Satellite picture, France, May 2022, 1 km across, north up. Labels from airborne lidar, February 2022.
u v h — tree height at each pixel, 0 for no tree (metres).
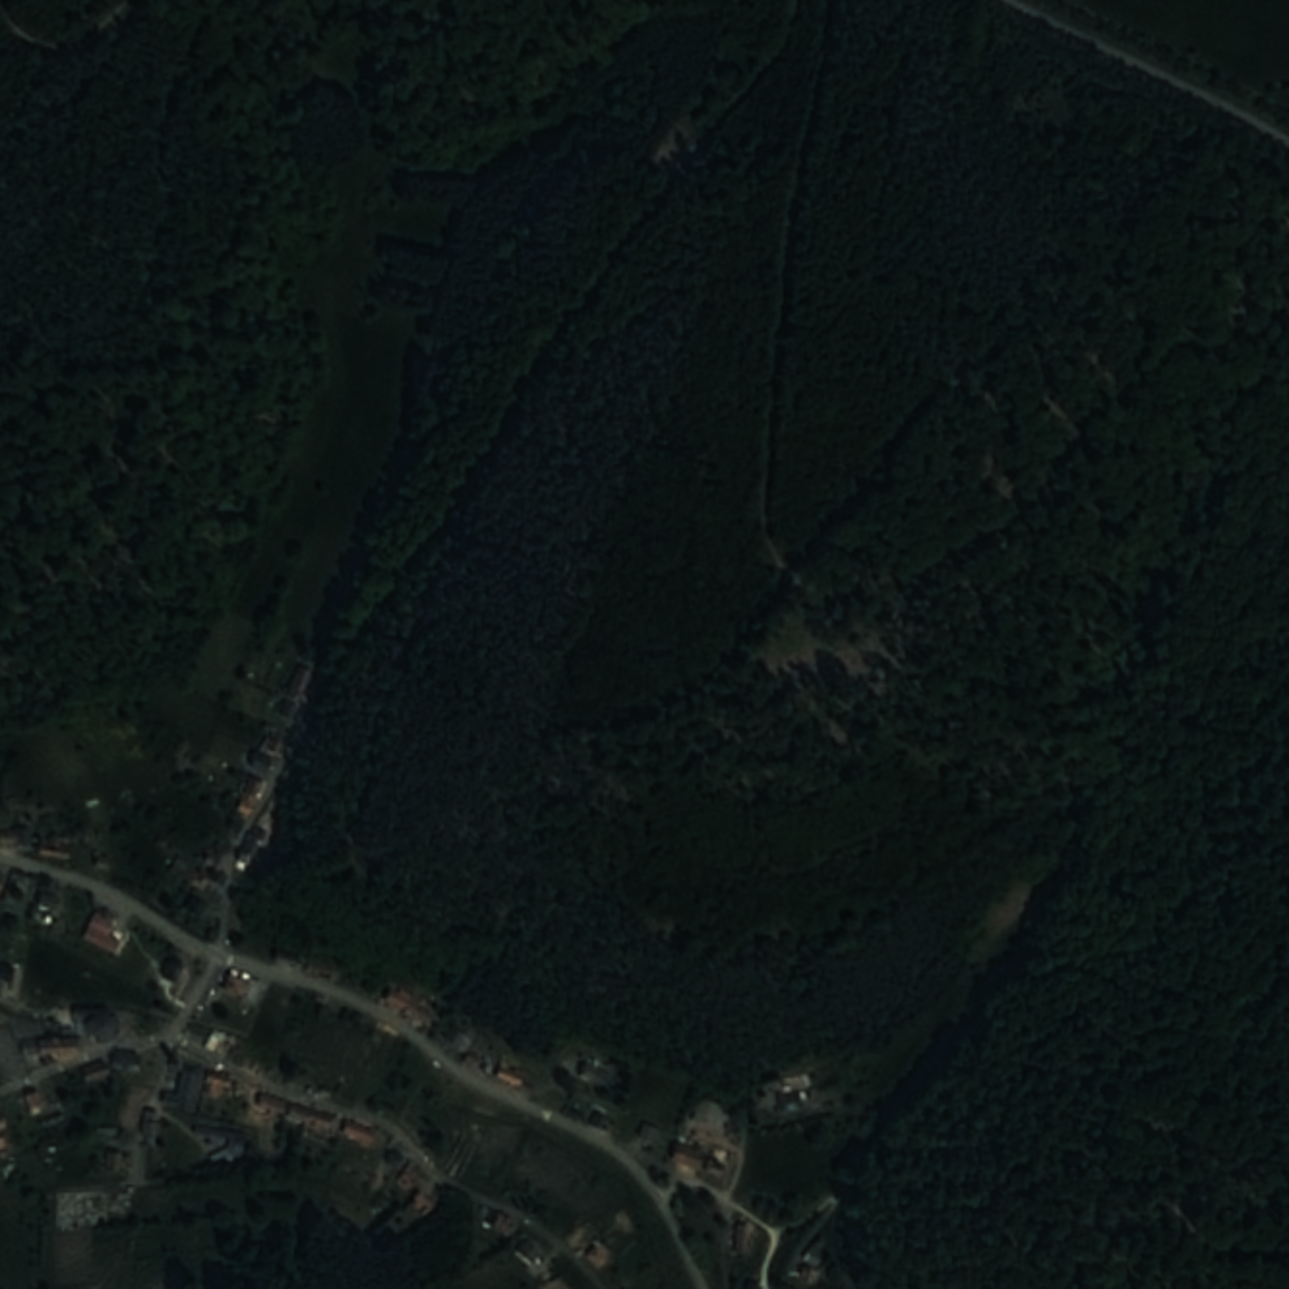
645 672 10
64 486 35
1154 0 0
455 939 27
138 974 0
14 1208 0
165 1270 0
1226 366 39
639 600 14
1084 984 32
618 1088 9
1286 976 27
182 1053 0
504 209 18
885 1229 26
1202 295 30
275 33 43
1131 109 17
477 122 29
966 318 21
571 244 26
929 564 29
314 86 26
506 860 25
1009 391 31
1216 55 0
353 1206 0
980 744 33
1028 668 35
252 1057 0
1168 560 42
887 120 27
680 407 8
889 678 33
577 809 29
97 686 26
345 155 25
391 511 25
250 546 18
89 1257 0
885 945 24
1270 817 31
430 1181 0
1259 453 40
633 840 12
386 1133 0
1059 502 36
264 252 26
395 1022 0
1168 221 30
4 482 36
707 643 11
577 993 23
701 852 11
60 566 34
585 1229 0
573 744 24
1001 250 26
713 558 12
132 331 15
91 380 34
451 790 26
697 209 27
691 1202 17
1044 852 32
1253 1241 28
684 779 27
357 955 28
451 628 28
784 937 9
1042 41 16
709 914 9
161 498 32
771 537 12
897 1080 0
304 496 0
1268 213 31
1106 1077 31
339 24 19
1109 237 30
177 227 20
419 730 25
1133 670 33
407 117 32
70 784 0
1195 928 33
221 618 14
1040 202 16
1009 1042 29
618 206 28
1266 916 32
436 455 30
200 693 0
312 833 22
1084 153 20
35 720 19
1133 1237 31
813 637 31
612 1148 0
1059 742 37
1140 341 34
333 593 0
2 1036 0
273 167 35
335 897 27
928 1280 24
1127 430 38
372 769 24
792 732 35
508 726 26
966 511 33
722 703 31
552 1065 0
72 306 22
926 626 33
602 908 24
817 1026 24
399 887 23
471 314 24
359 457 0
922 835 10
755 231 12
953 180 27
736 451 12
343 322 0
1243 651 32
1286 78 0
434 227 0
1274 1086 30
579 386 30
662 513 9
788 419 13
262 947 0
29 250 19
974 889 23
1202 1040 29
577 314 28
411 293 25
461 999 22
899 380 18
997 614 36
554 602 28
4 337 16
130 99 21
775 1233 0
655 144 20
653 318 25
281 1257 18
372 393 0
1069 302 30
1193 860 29
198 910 0
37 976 0
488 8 33
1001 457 31
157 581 37
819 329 24
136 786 0
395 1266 23
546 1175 0
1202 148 27
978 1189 28
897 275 24
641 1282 0
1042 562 36
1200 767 30
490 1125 0
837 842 6
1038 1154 31
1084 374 33
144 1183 0
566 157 16
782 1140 0
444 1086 0
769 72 7
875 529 30
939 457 32
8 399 34
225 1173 8
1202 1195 41
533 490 33
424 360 28
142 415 34
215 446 34
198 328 14
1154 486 44
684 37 19
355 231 0
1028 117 8
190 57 14
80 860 0
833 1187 0
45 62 18
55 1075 0
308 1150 0
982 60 8
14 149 17
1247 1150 30
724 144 11
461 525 24
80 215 19
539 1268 0
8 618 30
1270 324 35
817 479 8
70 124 20
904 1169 30
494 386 28
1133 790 37
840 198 21
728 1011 24
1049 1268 24
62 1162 0
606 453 30
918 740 30
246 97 32
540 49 33
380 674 27
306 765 26
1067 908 24
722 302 9
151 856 0
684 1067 21
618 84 12
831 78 16
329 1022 0
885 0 22
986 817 11
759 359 12
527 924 28
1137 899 35
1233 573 39
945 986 21
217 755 0
